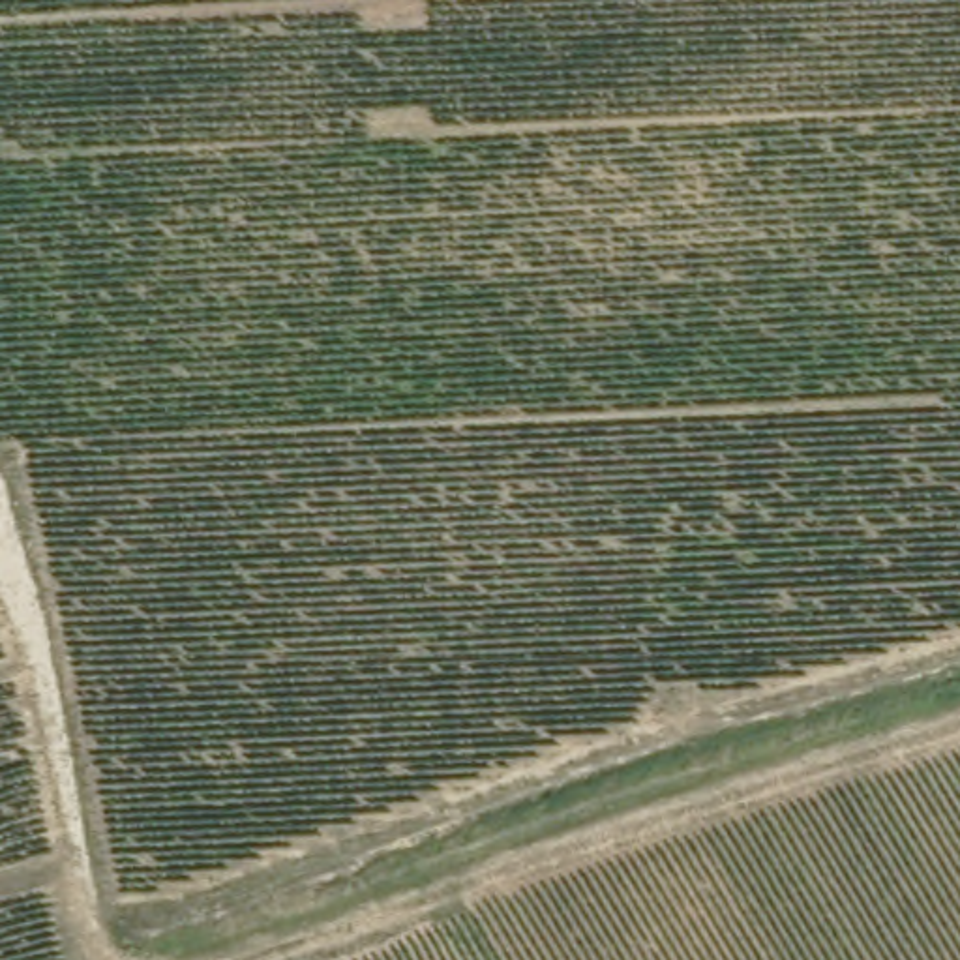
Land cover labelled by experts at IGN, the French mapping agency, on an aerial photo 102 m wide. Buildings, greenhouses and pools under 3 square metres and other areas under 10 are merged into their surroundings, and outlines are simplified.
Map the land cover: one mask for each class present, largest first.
<instances>
[{"label":"vineyard","instance_id":"1","mask_svg":"<svg viewBox=\"0 0 960 960\"><path fill-rule=\"evenodd\" d=\"M0 439H19L30 458V484L49 544V570L60 585L56 608L64 623V645L75 668V698L83 705V728L94 739L101 806L124 893H154L165 881H184L199 870H221L236 859H255L263 848H289L293 836H311L323 825H349L353 814H383L394 803H413L446 780H476L480 769L536 758L540 746H555L570 735H604L608 724H630L660 679L698 683L701 690H746L758 679H791L806 668L844 664L848 656L885 653L889 645L926 641L930 634L960 626V0H0ZM8 660L0 656V960H86L75 945V926L68 923V878L45 855L49 840L34 765L30 750L19 739L23 720L11 709L15 686L4 675ZM375 960H960V750L881 776L844 780L810 799L773 803L754 810L750 818L724 821L701 833L668 836L634 855L604 859L566 878L525 885L510 896H488L476 908H439L431 911L428 934Z\"/></svg>","mask_w":960,"mask_h":960},{"label":"herbaceous vegetation","instance_id":"2","mask_svg":"<svg viewBox=\"0 0 960 960\"><path fill-rule=\"evenodd\" d=\"M0 476L8 488V506L49 634V656L64 705L68 750L86 833L83 844H71L68 836L60 784L49 758L45 713L34 690V668L26 660L19 626L11 623V611L0 596V656L8 660L4 675L15 686L11 709L23 720L19 739L30 750L34 765L49 840L45 855L68 878V923L75 926V945L86 960H375L428 934L431 911L439 908H476L488 896H510L525 885L566 878L604 859L634 855L668 836L701 833L724 821L750 818L754 810L773 803L810 799L844 780L881 776L960 750V626L930 634L926 641L889 645L885 653L848 656L844 664L806 668L791 679H758L746 690H701L698 683L660 679L630 724H608L604 735H570L555 746H540L536 758L480 769L476 780H446L413 803H394L383 814H353L349 825H323L311 836H293L289 848H263L255 859H236L221 870H199L184 881H165L154 893H124L101 806L94 739L83 728V705L75 698V668L64 645V623L56 608L60 585L49 570V544L30 484V458L19 439H0Z\"/></svg>","mask_w":960,"mask_h":960},{"label":"pervious surface","instance_id":"3","mask_svg":"<svg viewBox=\"0 0 960 960\"><path fill-rule=\"evenodd\" d=\"M0 596L11 611V623L19 626L26 660L34 668V690L45 713L49 758L60 784L68 836L71 844H83L86 833L68 750L64 705L49 656V634L8 506V488L0 476Z\"/></svg>","mask_w":960,"mask_h":960}]
</instances>
